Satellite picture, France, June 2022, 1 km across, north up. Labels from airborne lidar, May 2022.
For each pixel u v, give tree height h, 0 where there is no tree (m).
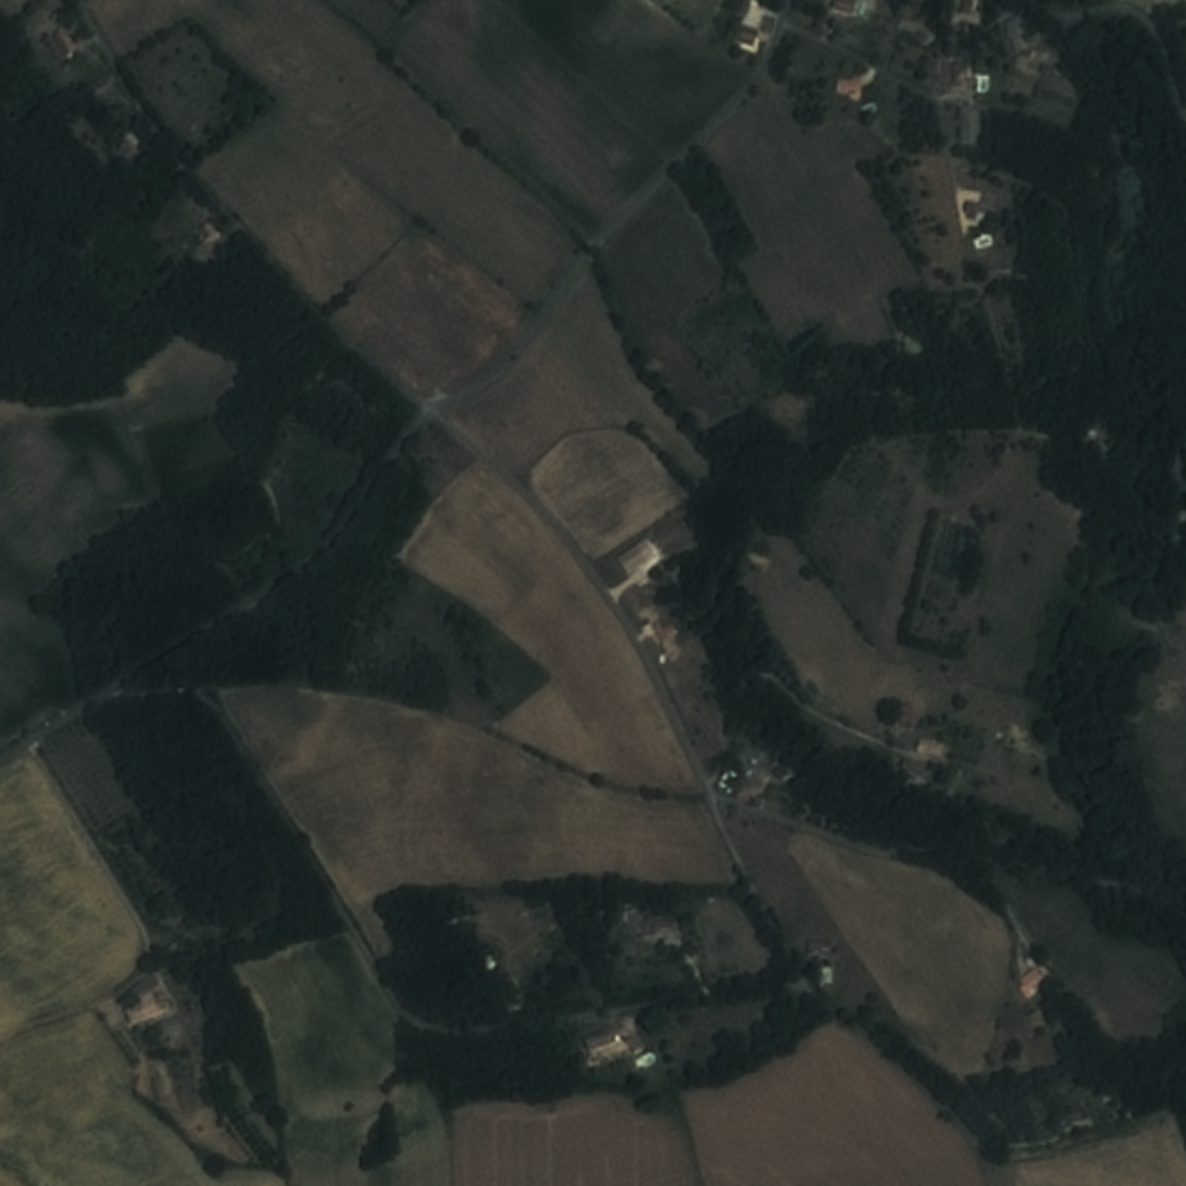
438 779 0
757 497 19
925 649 9
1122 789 21
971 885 17
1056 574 0
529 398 0
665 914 6
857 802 21
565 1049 9
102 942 0
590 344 0
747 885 13
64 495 0
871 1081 0
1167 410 25
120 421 0
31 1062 0
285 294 16
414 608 0
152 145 11
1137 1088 16
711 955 0
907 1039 8
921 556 9
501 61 0
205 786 10
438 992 11
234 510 13
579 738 0
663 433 0
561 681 0
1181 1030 9
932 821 24
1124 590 22
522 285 0
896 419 9
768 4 12
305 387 12
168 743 9
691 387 0
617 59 0
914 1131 0
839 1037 0
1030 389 7
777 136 0
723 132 0
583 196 0
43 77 6
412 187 0
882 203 7
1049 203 14
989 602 0
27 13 10
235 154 0
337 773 0
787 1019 18
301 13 0
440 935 14
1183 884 18
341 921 11
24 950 0
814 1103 0
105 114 8
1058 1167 0
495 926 0
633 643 0
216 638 15
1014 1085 12
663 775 0
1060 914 0
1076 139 19
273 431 13
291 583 17
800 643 0
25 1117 0
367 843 0
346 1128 0
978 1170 0
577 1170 0
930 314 11
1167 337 24
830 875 0
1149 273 22
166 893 10
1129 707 15
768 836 0
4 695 0
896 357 13
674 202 0
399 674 11
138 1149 0
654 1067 0
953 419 12
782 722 15
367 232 0
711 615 12
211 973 11
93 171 21
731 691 13
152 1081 0
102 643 12
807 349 8
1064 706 17
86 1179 0
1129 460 25
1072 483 18
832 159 0
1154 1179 0
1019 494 0
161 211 9
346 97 0
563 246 0
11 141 18
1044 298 13
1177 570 18
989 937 0
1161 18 15
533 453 0
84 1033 0
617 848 0
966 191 0
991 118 12
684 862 0
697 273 0
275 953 9
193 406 0
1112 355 24
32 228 20
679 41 0
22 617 0
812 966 12
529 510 0
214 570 11
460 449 0
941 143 18
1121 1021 0
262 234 0
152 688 11
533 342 0
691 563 10
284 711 0
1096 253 11
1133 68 21
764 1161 0
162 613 13
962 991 0
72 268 22
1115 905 19
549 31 0
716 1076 20
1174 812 0
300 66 0
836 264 0
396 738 0
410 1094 0
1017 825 18
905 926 0
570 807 0
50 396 18
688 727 0
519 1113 0
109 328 16
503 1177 0
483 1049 10
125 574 21
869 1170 0
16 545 0
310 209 0
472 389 0
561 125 0
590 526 0
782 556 0
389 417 7
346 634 14
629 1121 0
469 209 0
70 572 16
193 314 15
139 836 12
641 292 0
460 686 0
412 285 0
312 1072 0
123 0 0
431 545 0
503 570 0
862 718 0
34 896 0
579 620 0
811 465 12
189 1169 0
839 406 10
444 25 0
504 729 0
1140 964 0
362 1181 0
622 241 0
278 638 13
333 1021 0
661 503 0
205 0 0
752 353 9
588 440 0
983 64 11
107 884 0
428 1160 0
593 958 16
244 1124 7
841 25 11
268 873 13
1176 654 0
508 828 0
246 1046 6
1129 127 22
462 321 0
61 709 0
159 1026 8
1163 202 15
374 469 15
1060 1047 14
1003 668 0
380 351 0
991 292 9
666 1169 0
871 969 0
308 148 0
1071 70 16
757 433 11
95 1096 0
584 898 14
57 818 0
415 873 0
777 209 0
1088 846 21
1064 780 26
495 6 0
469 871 0
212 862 17
